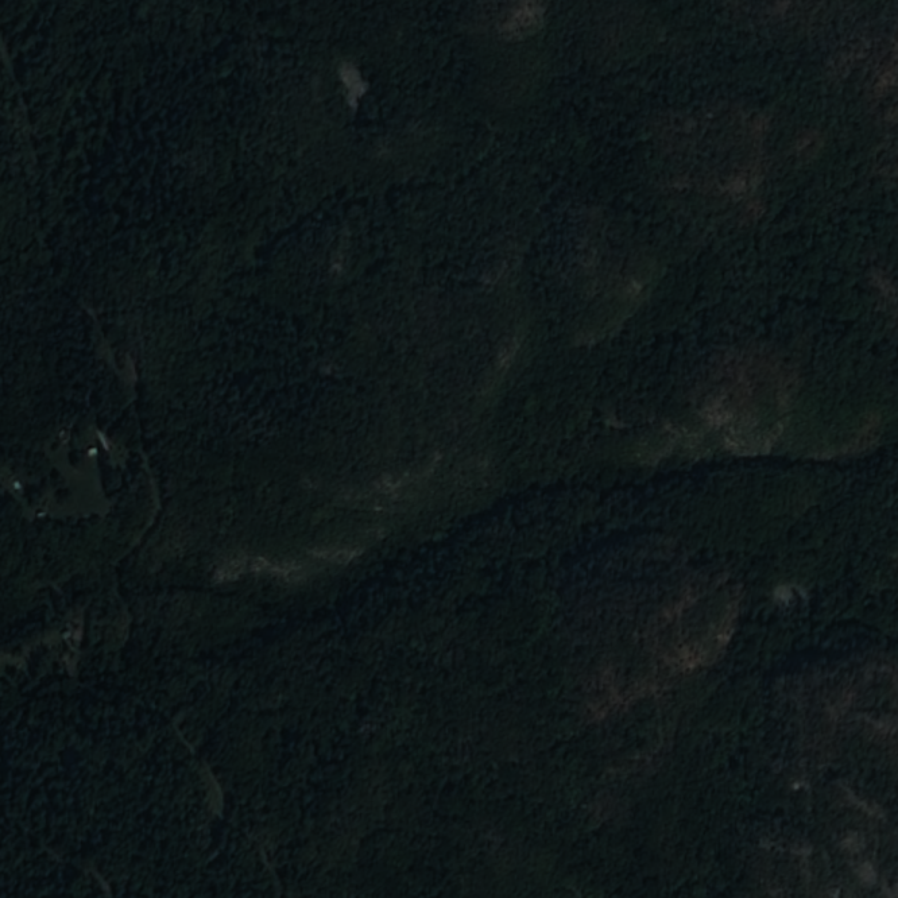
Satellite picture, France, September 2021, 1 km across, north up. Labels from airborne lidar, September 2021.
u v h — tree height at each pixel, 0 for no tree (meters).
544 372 20
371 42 20
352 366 19
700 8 14
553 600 18
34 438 23
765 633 25
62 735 24
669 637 11
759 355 8
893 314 10
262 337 36
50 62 10
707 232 18
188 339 23
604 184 30
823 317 11
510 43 6
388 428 11
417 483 6
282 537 20
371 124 15
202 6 22
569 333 12
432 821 23
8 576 16
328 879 13
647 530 23
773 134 9
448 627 22
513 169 21
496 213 15
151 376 17
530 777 12
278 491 20
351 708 22
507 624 19
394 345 14
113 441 25
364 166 13
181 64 23
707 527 18
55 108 25
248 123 17
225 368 33
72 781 29
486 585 31
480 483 9
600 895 22
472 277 7
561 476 18
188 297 23
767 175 16
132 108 17
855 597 34
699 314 21
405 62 12
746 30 11
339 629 18
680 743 15
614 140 19
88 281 23
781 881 7
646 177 16
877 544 20
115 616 21
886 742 8
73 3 20
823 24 13
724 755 23
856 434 10
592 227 10
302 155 7
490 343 12
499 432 19
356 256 18
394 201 22
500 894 10
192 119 35
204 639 24
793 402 10
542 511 21
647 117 14
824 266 21
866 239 24
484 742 15
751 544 18
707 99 7
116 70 26
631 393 15
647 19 15
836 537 21
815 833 13
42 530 20
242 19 25
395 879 25
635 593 6
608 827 10
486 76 14
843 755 14
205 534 12
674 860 14
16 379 18
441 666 20
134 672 36
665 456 7
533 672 24
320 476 10
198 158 9
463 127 14
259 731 21
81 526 14
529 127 18
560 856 15
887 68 12
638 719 20
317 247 12
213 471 24
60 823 22
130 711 25
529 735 19
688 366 13
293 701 23
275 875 7
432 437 17
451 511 12
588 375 25
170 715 19
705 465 27
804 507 13
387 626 19
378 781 11
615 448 10
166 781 26
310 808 23
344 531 9
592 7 10
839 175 19
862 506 21
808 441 8
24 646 22
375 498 8
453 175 20
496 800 22
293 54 16
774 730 16
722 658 15
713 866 18
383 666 20
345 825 9
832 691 7
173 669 27
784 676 15
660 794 20
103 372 10
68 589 11
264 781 20
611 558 13
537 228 17
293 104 12
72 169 13
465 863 9
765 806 16
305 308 31
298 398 21
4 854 24
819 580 16
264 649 30
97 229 24
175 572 21
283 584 7
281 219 30
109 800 21
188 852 27
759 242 24
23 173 20
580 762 22
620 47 10
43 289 31
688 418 10
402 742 17
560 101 25
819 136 8
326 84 13
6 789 24
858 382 17
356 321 15
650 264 5
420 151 10
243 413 21
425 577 25
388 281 11
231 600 16
